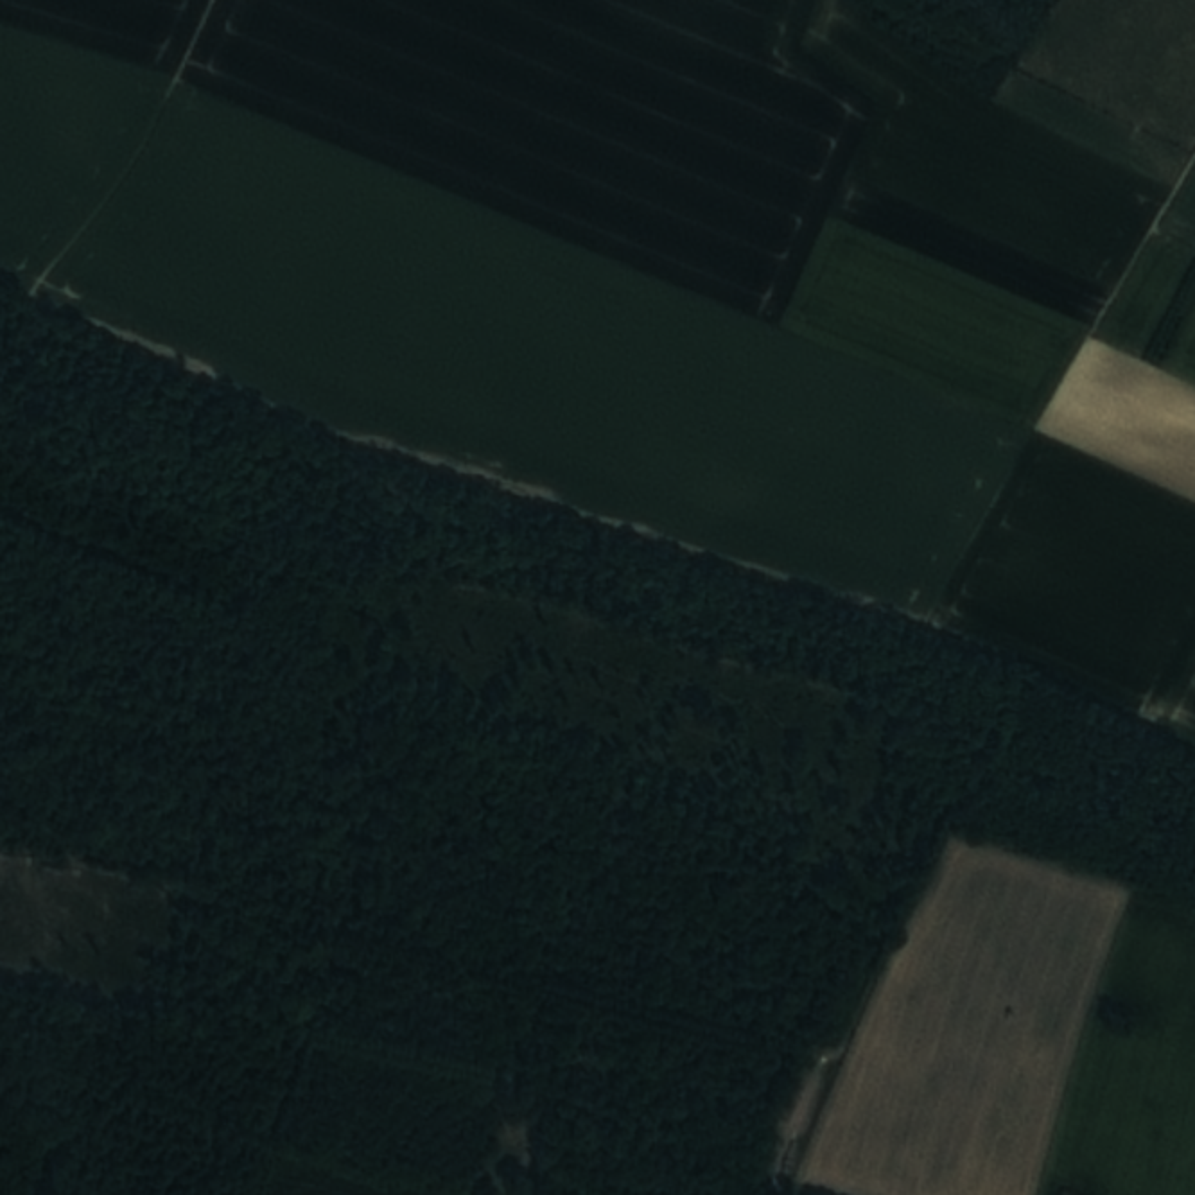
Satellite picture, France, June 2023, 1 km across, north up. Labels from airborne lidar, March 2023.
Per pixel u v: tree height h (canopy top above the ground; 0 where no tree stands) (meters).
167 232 0
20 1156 13
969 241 0
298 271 0
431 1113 24
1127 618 0
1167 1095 0
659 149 0
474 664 0
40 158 0
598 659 0
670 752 25
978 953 0
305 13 0
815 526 0
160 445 25
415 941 21
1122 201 0
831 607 25
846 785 0
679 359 0
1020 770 24
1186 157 0
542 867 20
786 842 24
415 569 27
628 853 24
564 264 0
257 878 30
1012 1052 0
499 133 0
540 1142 26
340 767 26
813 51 0
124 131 0
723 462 0
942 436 0
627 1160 24
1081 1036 0
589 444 0
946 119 0
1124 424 0
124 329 0
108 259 0
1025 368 0
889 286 0
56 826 21
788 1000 22
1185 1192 0
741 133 0
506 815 23
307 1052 19
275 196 0
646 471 0
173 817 25
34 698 24
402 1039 27
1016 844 18
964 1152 0
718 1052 24
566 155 0
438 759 18
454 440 0
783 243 0
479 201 0
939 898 0
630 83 0
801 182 0
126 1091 22
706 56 0
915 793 23
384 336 0
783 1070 26
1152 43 0
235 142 0
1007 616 0
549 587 28
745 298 0
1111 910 0
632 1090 23
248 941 22
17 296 22
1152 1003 0
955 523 0
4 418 24
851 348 0
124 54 0
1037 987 0
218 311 0
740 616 25
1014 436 0
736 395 0
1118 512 0
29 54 0
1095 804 27
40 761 26
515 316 0
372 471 30
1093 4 0
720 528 0
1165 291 0
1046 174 0
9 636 25
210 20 0
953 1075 0
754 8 0
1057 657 0
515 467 0
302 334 0
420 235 0
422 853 21
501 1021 17
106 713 24
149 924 0
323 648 23
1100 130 0
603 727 0
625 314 0
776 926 19
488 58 0
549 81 0
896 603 0
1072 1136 0
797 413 0
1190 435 0
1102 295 0
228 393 26
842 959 21
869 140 0
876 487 0
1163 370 0
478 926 24
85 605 20
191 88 0
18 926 0
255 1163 18
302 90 0
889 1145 0
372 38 0
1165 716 0
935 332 0
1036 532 0
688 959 19
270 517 19
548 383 0
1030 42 20
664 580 27
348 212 0
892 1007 0
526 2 0
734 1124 23
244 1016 20
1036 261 0
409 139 0
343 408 0
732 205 0
